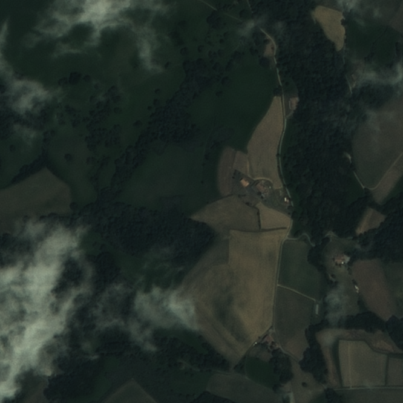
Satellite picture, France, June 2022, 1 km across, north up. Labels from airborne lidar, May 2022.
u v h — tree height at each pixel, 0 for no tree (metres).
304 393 0
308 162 15
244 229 0
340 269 0
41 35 0
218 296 0
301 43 21
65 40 0
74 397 13
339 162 21
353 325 10
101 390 0
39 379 0
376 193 0
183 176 0
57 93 0
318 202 21
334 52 9
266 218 0
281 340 0
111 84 0
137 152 12
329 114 22
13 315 0
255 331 0
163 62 0
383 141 0
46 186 0
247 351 0
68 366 21
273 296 0
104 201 21
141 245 10
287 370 18
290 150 8
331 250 0
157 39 0
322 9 0
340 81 21
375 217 0
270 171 0
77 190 0
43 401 0
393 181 0
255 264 0
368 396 0
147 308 0
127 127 0
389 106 0
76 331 25
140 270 0
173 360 15
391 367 0
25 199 0
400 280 0
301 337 0
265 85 0
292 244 0
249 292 0
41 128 9
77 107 0
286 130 0
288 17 12
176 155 0
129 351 9
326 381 19
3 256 19
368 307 0
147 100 0
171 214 8
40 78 0
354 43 0
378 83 15
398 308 0
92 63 0
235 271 0
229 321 0
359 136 0
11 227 0
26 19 0
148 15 0
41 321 0
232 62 13
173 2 0
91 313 20
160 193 0
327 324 11
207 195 0
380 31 0
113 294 28
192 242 12
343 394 0
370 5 0
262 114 0
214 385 0
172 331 0
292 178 9
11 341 0
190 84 17
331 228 14
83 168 0
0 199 0
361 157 0
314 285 0
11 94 19
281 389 6
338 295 13
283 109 0
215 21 21
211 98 0
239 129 0
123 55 0
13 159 0
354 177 0
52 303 20
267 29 20
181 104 13
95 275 28
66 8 0
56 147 0
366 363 0
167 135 17
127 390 0
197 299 0
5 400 30
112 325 32
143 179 0
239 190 0
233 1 0
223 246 0
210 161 0
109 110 12
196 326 0
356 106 11
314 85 22
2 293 14
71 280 25
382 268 0
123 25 0
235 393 0
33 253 24
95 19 0
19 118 15
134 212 11
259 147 0
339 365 0
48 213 0
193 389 0
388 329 22
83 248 0
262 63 17
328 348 0
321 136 14
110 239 6
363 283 0
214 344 0
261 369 0
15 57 0
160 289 0
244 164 0
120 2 0
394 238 22
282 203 0
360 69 0
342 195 16
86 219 20
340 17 0
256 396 0
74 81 13
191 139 8
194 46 0
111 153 0
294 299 0
